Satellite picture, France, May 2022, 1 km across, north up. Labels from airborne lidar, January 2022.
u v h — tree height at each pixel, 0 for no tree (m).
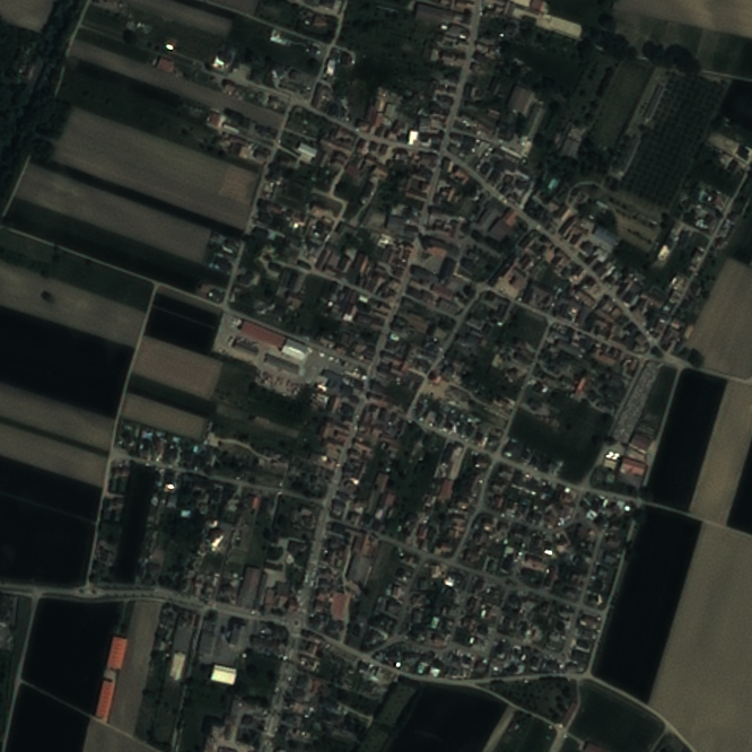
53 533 0
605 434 0
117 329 0
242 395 0
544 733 0
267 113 0
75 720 0
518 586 0
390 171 7
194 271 0
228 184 0
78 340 0
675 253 0
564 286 0
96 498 0
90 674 0
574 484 0
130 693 0
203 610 0
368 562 0
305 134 0
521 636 0
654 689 0
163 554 0
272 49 0
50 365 0
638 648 0
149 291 0
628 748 0
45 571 0
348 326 0
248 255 0
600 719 0
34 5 0
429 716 0
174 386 0
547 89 13
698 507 0
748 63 0
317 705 0
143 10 0
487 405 0
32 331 0
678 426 0
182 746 0
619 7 0
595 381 0
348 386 0
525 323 0
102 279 0
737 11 0
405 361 0
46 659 0
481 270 0
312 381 0
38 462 0
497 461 0
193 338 0
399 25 0
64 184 0
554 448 0
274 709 0
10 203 0
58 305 0
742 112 0
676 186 10
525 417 0
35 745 0
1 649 0
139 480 0
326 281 0
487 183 0
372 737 0
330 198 0
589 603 0
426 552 0
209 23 0
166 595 0
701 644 0
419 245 0
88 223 0
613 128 0
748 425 0
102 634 0
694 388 0
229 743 0
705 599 0
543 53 0
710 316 0
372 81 0
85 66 0
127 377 0
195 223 0
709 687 0
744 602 0
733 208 0
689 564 0
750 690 0
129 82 0
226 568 0
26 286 0
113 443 0
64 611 0
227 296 0
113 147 0
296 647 0
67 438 0
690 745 0
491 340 0
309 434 0
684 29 0
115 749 0
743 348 0
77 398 0
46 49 9
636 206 0
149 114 0
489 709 0
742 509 0
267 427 0
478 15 0
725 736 0
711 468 0
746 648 0
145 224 0
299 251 0
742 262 0
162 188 0
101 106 0
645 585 0
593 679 0
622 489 0
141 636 0
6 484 0
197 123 0
